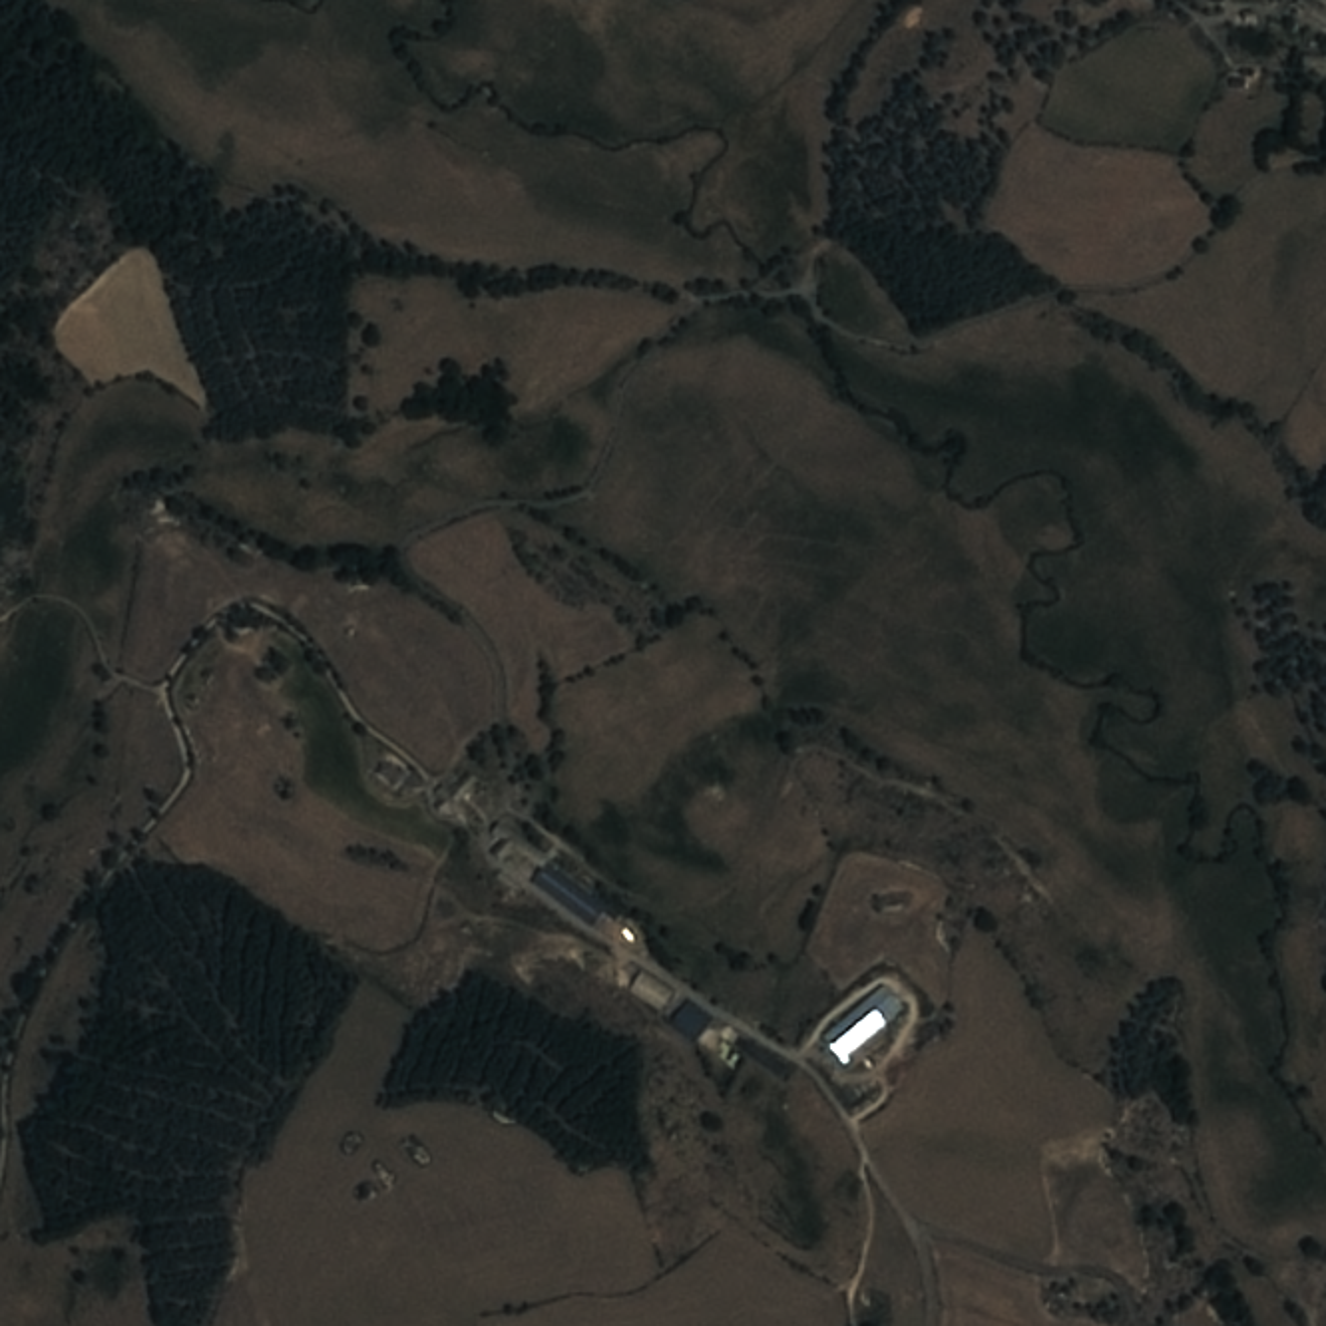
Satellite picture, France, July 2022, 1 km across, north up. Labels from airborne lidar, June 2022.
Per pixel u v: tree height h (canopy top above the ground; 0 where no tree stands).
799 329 0
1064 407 0
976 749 0
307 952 9
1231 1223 0
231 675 0
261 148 0
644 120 0
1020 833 0
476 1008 13
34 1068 0
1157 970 0
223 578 0
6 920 0
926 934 0
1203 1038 0
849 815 0
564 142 0
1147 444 0
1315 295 0
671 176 0
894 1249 0
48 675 0
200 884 12
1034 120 0
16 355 8
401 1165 0
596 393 0
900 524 0
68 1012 0
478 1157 0
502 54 0
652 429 0
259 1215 0
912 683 0
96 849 0
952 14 0
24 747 0
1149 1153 0
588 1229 0
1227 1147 0
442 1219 0
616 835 0
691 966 0
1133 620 0
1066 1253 0
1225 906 0
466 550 0
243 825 0
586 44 0
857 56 6
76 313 0
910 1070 0
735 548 0
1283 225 0
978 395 0
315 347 13
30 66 15
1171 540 0
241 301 12
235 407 10
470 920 0
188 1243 10
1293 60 10
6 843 0
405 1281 0
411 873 0
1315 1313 0
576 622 0
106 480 0
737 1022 0
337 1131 0
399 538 0
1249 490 0
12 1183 0
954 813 0
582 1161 9
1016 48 10
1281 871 12
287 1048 11
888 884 0
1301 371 0
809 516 0
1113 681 8
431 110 0
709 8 0
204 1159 10
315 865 0
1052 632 0
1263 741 0
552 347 0
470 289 11
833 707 0
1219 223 16
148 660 0
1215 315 0
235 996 11
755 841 0
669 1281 0
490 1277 0
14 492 0
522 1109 12
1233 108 0
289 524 0
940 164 19
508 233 0
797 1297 0
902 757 0
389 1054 0
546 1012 13
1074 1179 0
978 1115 0
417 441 0
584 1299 0
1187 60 0
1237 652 0
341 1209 0
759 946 0
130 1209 12
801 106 0
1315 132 0
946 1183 0
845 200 18
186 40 0
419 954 0
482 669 0
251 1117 10
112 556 0
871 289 0
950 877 0
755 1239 0
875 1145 0
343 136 0
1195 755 0
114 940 12
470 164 0
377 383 0
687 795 0
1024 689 0
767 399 0
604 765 0
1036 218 0
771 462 0
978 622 0
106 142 21
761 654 0
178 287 10
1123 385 0
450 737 0
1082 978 0
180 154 20
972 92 0
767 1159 0
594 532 0
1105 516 0
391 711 0
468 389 12
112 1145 13
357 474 0
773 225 0
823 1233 0
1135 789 0
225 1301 0
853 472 0
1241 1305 13
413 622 0
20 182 15
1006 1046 0
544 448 0
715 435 0
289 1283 0
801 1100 0
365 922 0
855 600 0
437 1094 12
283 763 0
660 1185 0
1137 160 0
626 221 0
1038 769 0
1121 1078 9
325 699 0
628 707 0
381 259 16
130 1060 12
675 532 0
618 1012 0
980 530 0
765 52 0
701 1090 0
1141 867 0
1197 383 6
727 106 0
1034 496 0
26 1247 0
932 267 13
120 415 0
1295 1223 0
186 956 9
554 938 0
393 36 9
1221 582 0
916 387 0
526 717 0
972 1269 0
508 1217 0
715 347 0
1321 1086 0
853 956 0
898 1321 0
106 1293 0
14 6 21
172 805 0
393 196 0
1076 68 0
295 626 12
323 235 16
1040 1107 0
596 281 13
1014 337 0
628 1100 14
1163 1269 0
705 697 0
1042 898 0
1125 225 0
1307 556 0
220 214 15
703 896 0
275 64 0
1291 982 0
